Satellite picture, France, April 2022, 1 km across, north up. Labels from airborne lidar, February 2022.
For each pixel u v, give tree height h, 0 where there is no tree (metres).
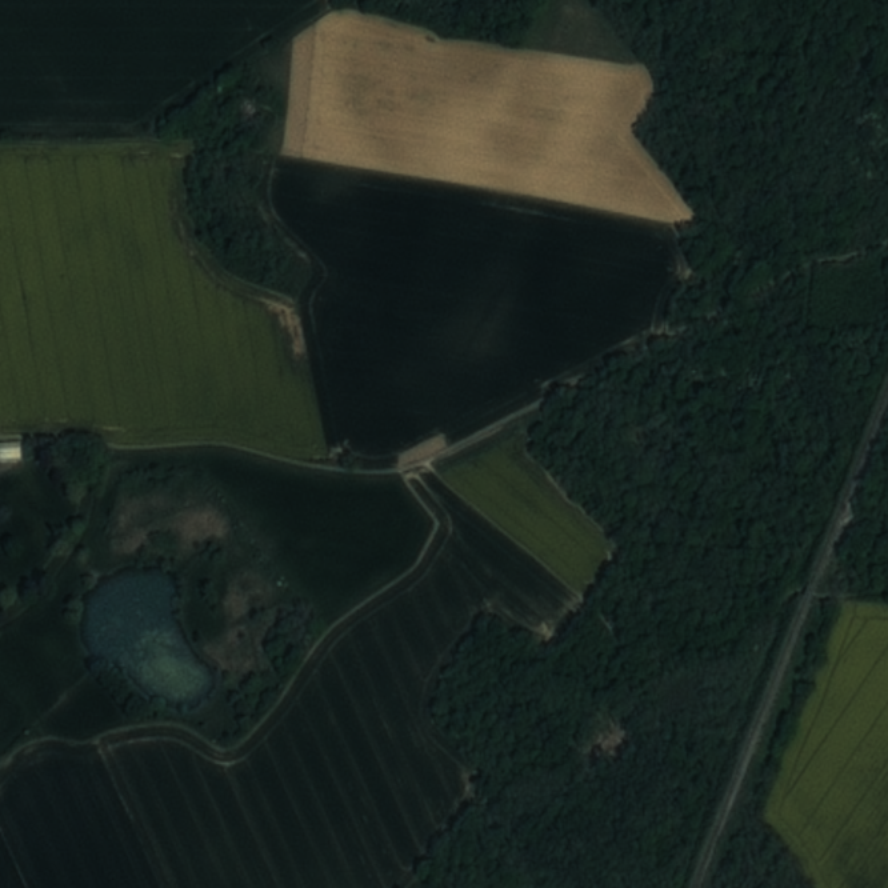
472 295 0
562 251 0
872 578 16
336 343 0
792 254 21
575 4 0
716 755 12
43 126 0
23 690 0
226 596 0
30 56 0
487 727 22
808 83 16
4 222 0
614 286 0
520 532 0
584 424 18
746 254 5
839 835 0
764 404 19
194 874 0
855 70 24
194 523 0
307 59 0
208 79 0
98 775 0
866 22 24
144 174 0
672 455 8
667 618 21
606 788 23
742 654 22
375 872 0
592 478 24
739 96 6
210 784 0
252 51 0
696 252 22
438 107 0
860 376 17
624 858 16
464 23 20
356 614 0
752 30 20
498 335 0
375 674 0
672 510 17
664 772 21
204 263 0
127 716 24
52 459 26
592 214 0
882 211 15
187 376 0
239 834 0
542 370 0
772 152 15
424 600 0
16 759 0
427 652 0
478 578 0
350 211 0
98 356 0
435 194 0
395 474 0
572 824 20
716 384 14
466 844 22
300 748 0
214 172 18
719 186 20
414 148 0
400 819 0
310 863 0
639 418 10
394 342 0
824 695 0
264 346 0
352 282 0
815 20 14
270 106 0
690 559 23
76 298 0
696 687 13
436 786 0
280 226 0
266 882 0
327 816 0
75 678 0
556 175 0
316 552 0
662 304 0
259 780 0
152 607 0
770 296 11
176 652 0
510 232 0
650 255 0
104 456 26
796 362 10
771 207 21
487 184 0
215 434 0
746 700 21
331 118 0
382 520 0
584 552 0
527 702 19
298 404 0
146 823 0
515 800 21
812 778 0
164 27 0
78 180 0
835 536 0
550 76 0
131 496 0
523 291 0
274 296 0
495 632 21
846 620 0
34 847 0
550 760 23
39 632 0
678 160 21
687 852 14
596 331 0
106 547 0
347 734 0
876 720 0
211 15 0
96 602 0
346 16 0
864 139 19
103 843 0
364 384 0
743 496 17
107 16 0
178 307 0
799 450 19
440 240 0
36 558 0
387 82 0
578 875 19
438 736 0
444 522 0
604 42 0
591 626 12
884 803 0
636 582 21
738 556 18
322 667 0
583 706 20
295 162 0
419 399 0
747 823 26
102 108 0
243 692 10
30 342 0
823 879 0
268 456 0
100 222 0
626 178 0
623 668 15
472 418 0
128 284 0
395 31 0
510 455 0
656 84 6
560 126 0
